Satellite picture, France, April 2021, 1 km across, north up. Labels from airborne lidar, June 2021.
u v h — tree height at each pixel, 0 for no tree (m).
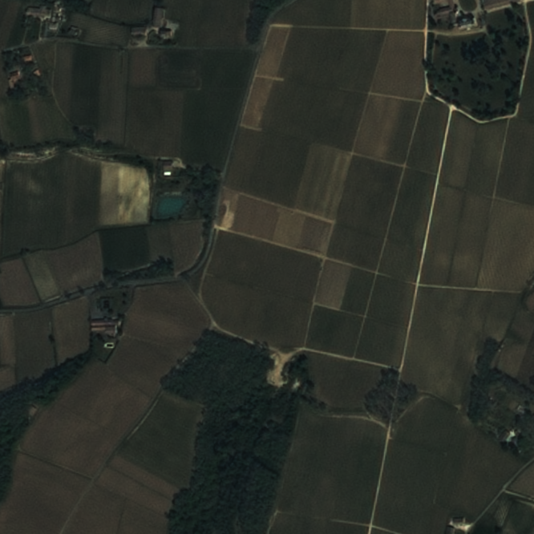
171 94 0
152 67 0
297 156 0
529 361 0
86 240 0
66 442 0
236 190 0
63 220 0
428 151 0
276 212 0
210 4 0
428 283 0
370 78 0
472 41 0
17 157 0
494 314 0
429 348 0
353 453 0
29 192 0
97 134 0
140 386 0
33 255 0
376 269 0
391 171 0
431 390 0
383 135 0
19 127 0
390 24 0
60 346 0
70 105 0
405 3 0
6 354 0
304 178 0
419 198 0
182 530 10
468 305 0
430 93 0
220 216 0
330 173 0
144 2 0
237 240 0
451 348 0
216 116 0
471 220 0
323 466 0
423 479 0
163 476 0
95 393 0
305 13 0
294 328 0
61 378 16
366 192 0
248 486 20
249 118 0
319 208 0
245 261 0
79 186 0
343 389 0
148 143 0
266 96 0
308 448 0
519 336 0
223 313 0
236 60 0
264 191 0
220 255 0
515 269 0
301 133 0
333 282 0
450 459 0
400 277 0
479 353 0
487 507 0
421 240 0
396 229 0
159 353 0
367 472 0
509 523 0
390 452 0
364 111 0
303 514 0
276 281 0
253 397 17
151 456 0
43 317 0
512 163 0
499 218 0
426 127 0
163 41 8
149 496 0
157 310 0
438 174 0
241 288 0
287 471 0
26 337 0
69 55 0
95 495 0
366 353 0
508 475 0
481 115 13
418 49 0
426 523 0
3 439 16
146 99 0
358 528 0
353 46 0
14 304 0
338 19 0
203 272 0
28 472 0
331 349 0
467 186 0
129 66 0
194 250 0
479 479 0
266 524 15
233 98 0
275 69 0
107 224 0
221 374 19
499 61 31
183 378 17
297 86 0
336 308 0
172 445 0
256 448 16
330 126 0
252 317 0
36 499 0
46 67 0
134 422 0
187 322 0
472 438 0
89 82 0
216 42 0
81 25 0
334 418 0
